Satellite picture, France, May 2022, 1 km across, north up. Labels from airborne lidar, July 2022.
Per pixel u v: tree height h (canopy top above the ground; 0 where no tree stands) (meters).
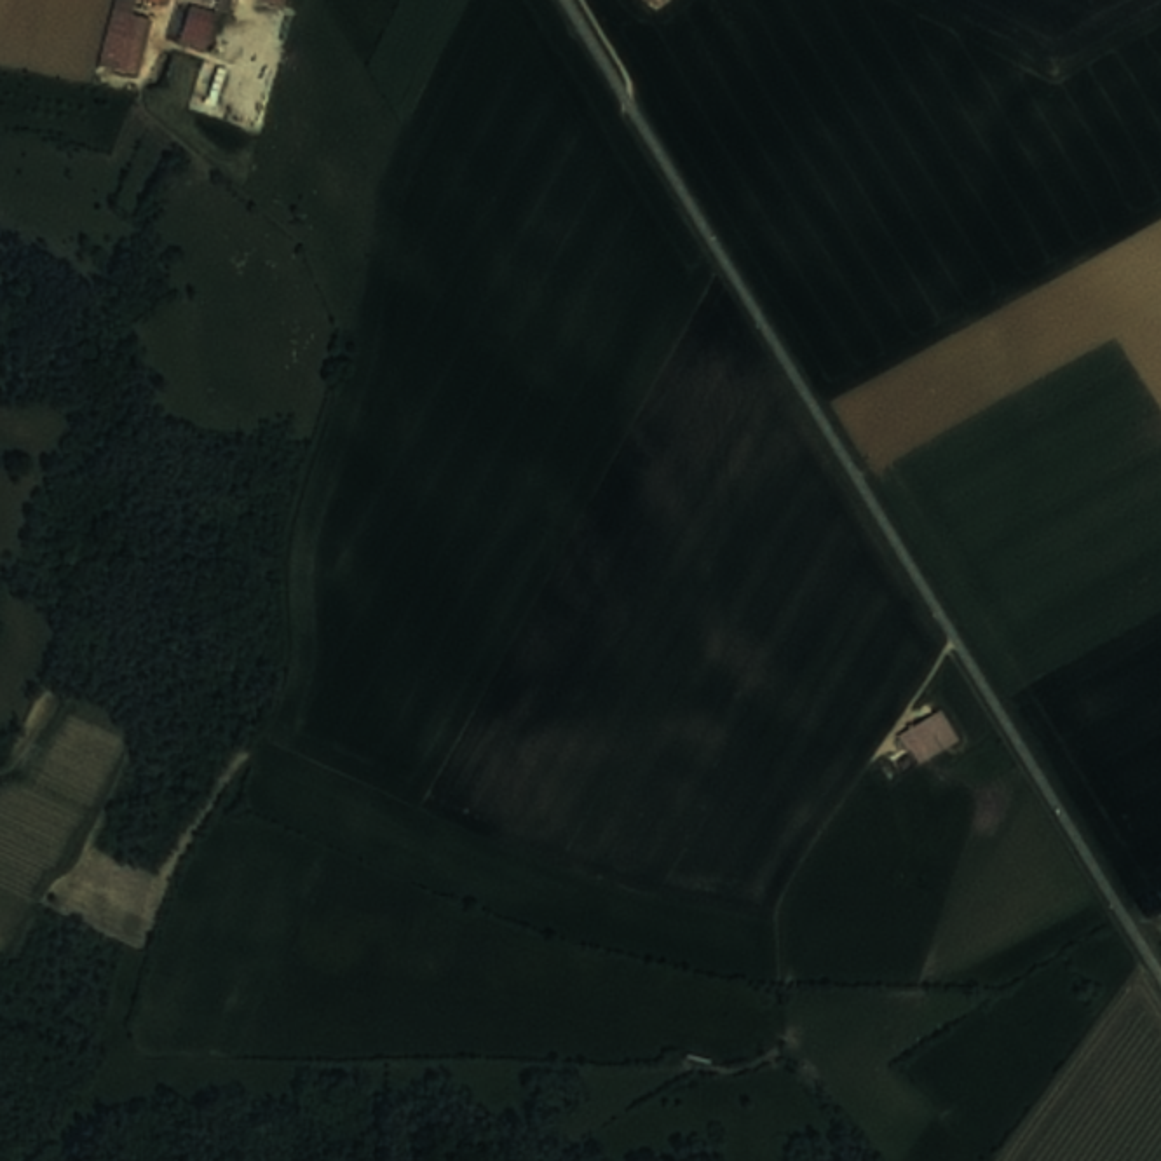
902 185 0
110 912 0
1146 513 0
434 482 0
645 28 0
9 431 0
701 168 0
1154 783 0
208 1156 24
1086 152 0
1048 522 0
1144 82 0
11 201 0
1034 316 0
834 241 0
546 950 0
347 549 0
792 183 0
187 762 12
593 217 0
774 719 0
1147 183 0
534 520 0
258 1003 0
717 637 0
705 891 0
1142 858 0
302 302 0
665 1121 0
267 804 0
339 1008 0
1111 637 0
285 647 7
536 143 0
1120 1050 0
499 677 0
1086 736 0
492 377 0
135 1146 20
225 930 0
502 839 0
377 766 0
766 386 0
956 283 0
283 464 9
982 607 0
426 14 0
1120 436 0
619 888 0
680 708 0
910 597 0
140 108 0
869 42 0
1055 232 0
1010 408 0
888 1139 0
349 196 0
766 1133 0
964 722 0
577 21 0
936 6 0
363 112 0
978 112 0
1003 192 0
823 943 0
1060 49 0
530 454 0
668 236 0
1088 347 0
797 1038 0
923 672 0
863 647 0
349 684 0
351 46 0
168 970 0
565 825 0
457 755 0
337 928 0
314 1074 15
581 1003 0
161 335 0
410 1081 0
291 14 0
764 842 0
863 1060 0
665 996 0
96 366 25
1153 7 0
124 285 20
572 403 0
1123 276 0
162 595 23
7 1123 10
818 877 0
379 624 0
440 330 0
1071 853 0
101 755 0
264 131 0
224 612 16
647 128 0
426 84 0
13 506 0
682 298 0
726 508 0
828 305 0
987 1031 0
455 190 0
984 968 0
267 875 0
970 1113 0
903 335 0
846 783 0
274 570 12
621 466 0
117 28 0
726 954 0
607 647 0
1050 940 0
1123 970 0
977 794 0
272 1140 26
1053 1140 0
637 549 0
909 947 0
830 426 0
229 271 0
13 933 0
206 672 10
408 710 0
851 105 0
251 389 0
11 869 0
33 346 22
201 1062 0
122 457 21
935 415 0
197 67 0
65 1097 15
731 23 0
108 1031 0
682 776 0
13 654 0
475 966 0
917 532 0
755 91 0
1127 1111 0
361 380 0
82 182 0
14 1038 16
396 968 0
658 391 0
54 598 22
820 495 0
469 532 0
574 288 0
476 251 0
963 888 0
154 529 19
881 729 0
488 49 0
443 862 0
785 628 0
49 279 20
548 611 0
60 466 20
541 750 0
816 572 0
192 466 20
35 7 0
